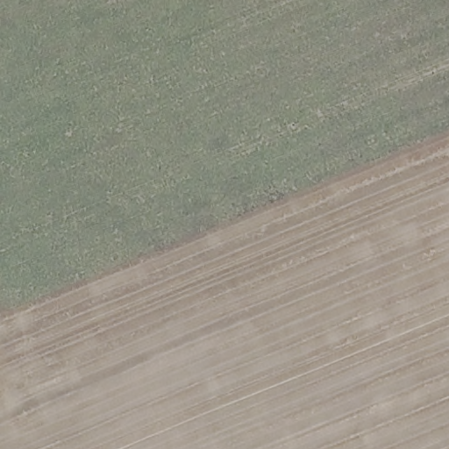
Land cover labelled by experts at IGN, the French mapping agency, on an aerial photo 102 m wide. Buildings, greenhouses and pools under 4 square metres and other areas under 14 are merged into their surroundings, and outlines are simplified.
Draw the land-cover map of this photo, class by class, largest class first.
<instances>
[{"label":"agricultural land","instance_id":"1","mask_svg":"<svg viewBox=\"0 0 449 449\"><path fill-rule=\"evenodd\" d=\"M0 449H449V0H0Z\"/></svg>","mask_w":449,"mask_h":449}]
</instances>
